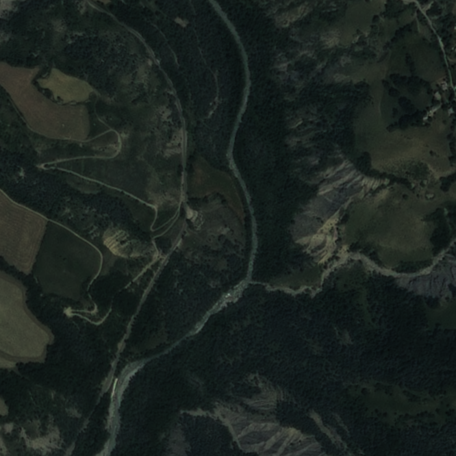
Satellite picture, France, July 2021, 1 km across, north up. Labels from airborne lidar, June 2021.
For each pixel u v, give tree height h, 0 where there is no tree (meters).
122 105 0
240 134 17
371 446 12
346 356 12
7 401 11
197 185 0
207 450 16
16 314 0
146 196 0
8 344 0
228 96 11
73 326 11
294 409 12
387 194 0
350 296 8
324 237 0
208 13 11
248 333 14
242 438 0
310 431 8
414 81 16
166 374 17
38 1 14
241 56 12
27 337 0
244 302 12
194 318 9
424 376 11
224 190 0
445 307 0
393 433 11
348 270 0
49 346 11
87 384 8
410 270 9
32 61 8
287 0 0
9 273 8
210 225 0
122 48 8
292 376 13
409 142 0
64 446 12
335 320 14
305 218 0
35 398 8
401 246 0
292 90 6
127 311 9
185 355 10
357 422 17
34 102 0
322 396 12
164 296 8
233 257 11
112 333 9
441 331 16
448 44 14
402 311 14
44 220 0
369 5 0
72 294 0
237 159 6
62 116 0
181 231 0
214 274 11
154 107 0
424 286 0
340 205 0
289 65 8
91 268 0
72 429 9
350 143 11
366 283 7
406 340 21
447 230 10
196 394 9
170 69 11
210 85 9
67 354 18
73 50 9
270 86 7
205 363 12
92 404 14
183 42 15
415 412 0
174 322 11
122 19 11
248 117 7
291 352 9
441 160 0
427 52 0
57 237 0
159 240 9
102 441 8
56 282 0
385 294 9
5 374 10
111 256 0
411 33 20
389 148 0
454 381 22
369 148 0
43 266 0
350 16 0
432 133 0
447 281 0
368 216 0
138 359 12
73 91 0
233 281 8
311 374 10
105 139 0
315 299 8
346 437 7
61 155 0
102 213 10
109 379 0
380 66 0
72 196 11
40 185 9
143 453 14
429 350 21
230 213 0
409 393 8
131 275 7
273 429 0
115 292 14
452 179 14
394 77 13
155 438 8
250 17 10
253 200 12
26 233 0
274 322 12
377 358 14
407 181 10
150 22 8
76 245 0
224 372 13
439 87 6
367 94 8
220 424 7
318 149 8
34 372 18
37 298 13
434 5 8
